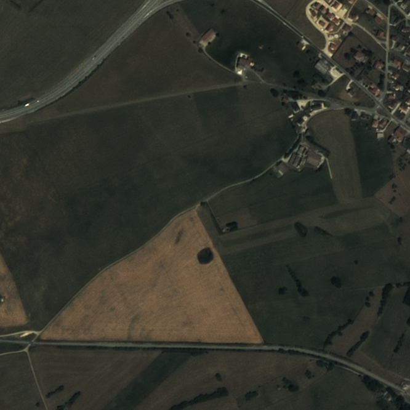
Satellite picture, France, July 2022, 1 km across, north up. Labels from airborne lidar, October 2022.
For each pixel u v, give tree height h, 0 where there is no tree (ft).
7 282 0
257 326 0
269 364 0
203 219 0
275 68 0
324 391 0
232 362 0
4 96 0
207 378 0
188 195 0
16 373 0
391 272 0
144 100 0
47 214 0
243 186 0
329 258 0
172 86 0
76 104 0
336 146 0
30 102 0
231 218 0
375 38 0
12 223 0
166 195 0
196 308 0
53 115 0
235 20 0
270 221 0
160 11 0
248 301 0
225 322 0
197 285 0
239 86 0
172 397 0
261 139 0
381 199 0
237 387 0
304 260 0
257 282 0
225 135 0
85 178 0
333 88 0
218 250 0
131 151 0
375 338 0
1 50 0
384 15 0
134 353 0
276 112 0
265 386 0
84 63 0
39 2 0
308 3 0
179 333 0
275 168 0
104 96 0
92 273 0
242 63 0
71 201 0
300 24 0
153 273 0
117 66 0
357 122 0
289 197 0
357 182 0
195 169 0
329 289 0
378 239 0
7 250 0
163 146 0
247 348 0
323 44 0
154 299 0
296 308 0
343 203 0
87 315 0
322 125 0
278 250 0
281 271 0
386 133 0
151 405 0
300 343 0
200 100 0
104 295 0
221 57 0
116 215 0
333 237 0
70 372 0
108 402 0
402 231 0
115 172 0
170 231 0
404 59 0
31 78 0
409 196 0
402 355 0
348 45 0
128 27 0
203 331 0
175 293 0
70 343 0
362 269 0
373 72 0
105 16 0
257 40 0
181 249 0
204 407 0
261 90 0
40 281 0
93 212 0
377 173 0
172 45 0
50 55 0
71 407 0
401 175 0
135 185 0
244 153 0
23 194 0
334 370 0
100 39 0
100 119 0
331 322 0
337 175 0
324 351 18
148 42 0
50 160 0
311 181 0
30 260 0
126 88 0
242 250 0
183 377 0
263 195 0
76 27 0
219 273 0
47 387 0
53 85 0
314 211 0
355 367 0
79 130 0
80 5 0
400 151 0
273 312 0
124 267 0
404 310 0
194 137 0
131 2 0
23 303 0
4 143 0
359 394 0
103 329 0
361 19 0
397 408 22
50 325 0
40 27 0
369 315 0
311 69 0
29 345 0
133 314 0
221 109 0
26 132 0
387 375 0
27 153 0
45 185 0
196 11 0
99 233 0
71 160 0
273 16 0
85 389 0
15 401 0
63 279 0
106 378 0
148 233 0
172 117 0
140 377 0
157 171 0
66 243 0
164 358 0
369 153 0
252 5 0
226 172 0
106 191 0
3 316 0
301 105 0
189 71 0
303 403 0
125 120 0
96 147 0
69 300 0
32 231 0
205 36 0
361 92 0
